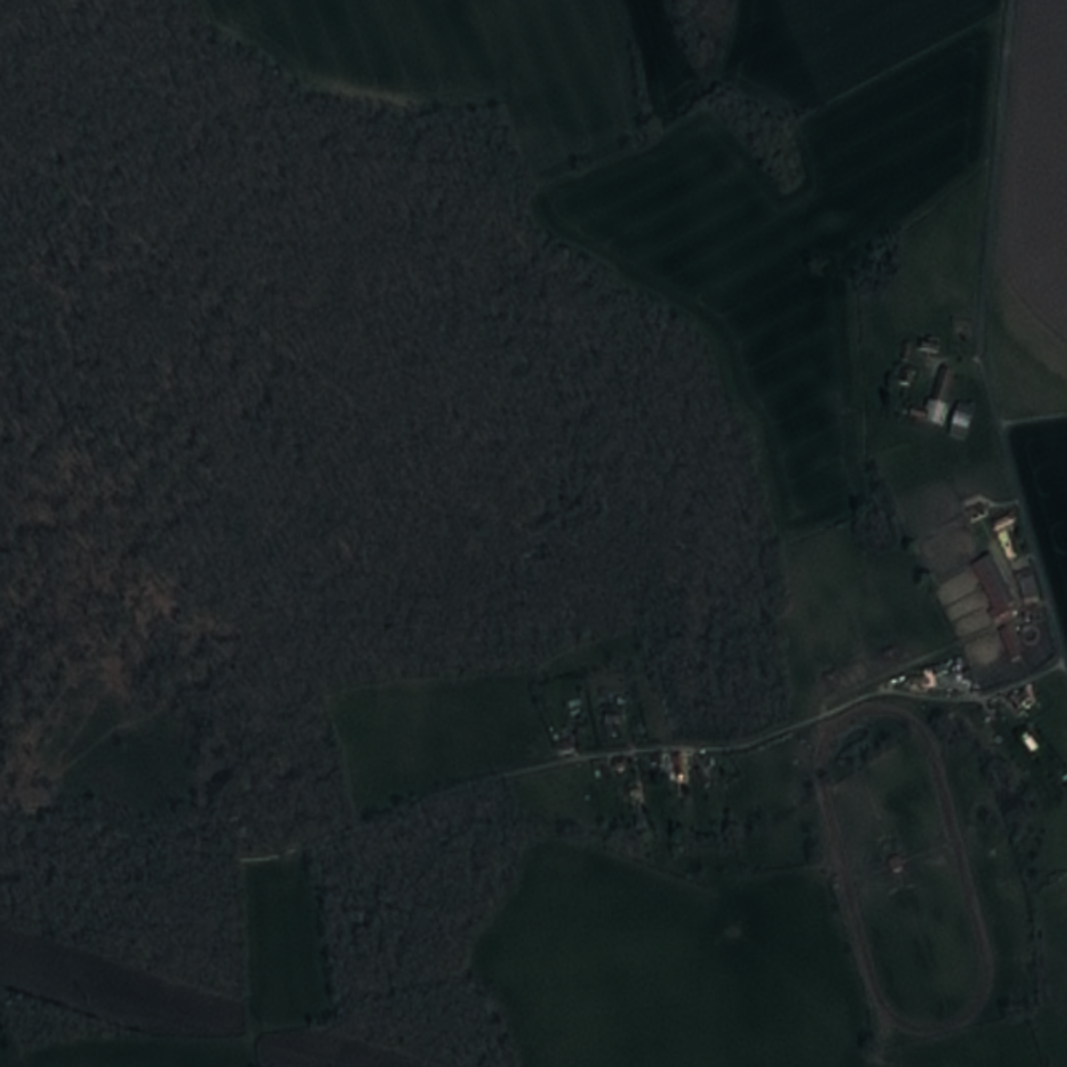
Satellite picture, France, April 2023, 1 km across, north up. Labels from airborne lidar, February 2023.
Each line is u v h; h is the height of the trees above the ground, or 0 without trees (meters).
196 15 12
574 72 0
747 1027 0
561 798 0
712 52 13
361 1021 20
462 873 22
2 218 19
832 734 0
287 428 19
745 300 0
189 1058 0
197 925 23
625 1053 0
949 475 0
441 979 21
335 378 21
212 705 22
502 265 11
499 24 0
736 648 26
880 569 0
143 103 21
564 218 0
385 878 16
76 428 22
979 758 16
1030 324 0
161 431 16
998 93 0
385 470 22
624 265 0
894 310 0
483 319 14
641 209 0
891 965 0
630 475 16
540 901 0
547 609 12
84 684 10
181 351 21
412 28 0
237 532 16
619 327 17
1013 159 0
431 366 20
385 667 19
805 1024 0
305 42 0
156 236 21
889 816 0
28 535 15
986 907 0
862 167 0
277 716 21
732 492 24
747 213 0
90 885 17
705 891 0
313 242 23
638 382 15
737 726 17
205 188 20
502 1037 14
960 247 0
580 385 18
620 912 0
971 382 0
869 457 0
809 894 0
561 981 0
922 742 0
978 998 0
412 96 0
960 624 0
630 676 13
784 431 0
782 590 23
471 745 0
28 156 20
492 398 20
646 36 0
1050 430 0
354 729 0
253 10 0
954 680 0
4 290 23
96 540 23
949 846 0
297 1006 0
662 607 17
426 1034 20
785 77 0
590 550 14
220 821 19
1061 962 0
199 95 21
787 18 0
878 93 0
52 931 15
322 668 21
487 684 0
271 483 21
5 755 17
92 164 22
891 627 0
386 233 19
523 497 13
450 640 15
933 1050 0
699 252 0
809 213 0
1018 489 0
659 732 0
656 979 0
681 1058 0
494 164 12
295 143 23
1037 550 0
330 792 21
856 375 0
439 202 20
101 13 22
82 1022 15
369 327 20
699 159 0
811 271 19
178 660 18
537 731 0
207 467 13
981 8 0
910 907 0
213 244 22
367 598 19
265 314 23
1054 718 0
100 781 0
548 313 17
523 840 26
